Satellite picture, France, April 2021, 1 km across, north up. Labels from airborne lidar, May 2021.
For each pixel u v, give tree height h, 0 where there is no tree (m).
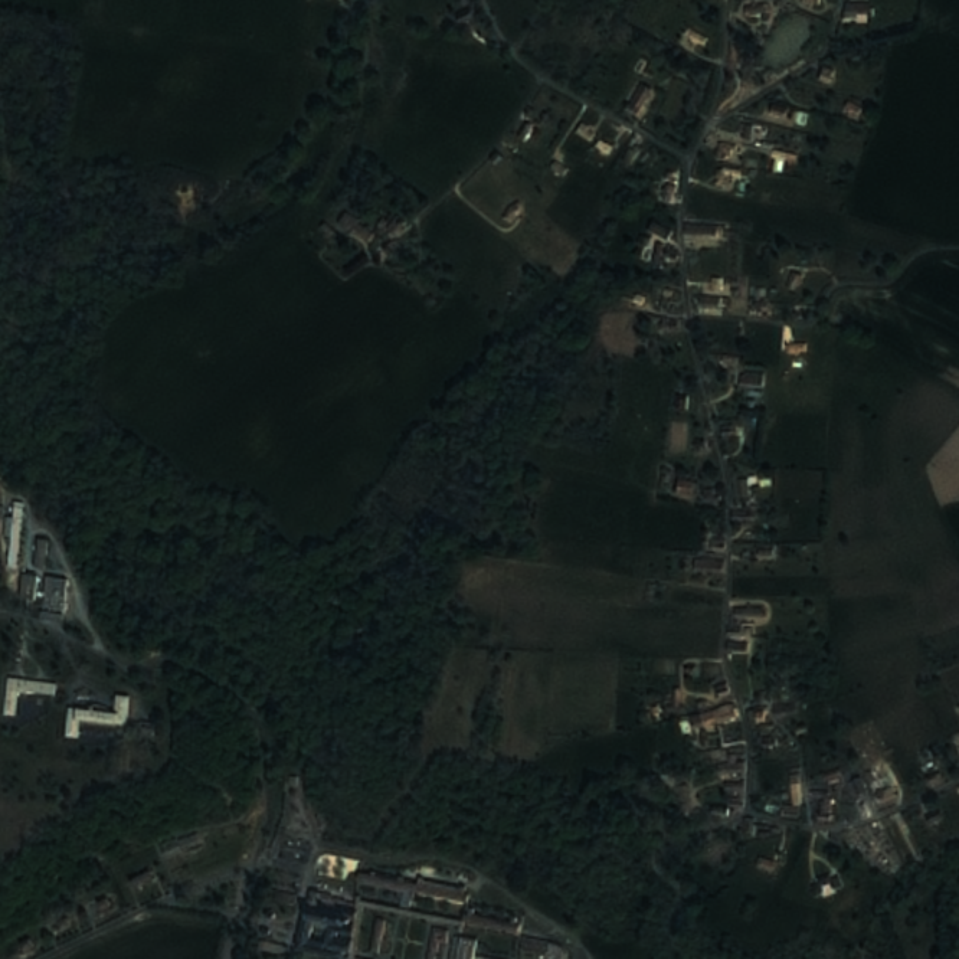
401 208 8
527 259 0
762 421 7
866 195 0
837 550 0
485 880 0
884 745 0
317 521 0
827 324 13
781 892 0
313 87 0
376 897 9
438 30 0
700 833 13
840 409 0
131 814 26
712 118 0
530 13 0
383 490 8
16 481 26
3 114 21
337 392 0
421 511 10
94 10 0
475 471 12
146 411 0
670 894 20
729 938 9
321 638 25
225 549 24
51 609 0
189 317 0
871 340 16
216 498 18
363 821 12
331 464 0
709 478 7
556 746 0
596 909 18
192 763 15
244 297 0
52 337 16
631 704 0
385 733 21
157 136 0
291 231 0
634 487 0
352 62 26
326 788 15
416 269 12
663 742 0
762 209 0
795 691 16
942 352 0
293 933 0
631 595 0
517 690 0
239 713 20
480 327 0
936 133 0
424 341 0
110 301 14
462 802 21
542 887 19
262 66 0
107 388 0
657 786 20
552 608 0
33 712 0
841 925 0
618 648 0
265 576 28
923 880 11
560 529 0
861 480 0
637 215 13
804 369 0
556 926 0
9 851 0
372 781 14
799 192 0
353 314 0
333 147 0
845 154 0
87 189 12
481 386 24
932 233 0
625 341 0
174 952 0
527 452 16
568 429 6
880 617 0
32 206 22
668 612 0
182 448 0
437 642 17
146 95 0
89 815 18
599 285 14
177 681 16
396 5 0
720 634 0
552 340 8
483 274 0
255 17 0
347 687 25
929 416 0
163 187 10
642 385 0
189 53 0
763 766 0
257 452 0
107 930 0
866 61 14
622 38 12
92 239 23
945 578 0
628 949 0
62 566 0
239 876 13
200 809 17
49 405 28
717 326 0
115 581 22
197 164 0
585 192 0
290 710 28
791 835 10
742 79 7
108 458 20
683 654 0
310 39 0
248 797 21
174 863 0
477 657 0
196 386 0
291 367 0
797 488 0
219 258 11
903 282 0
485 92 0
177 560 16
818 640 8
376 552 15
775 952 9
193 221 11
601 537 0
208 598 15
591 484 0
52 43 12
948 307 0
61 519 18
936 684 10
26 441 22
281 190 22
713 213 0
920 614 0
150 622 35
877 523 0
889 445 0
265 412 0
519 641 0
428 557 27
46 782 13
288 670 26
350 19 18
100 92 0
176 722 9
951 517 0
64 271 28
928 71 0
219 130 0
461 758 15
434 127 0
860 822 0
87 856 22
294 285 0
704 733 8
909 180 0
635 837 7
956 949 17
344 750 16
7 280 21
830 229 0
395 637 18
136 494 21
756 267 0
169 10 0
